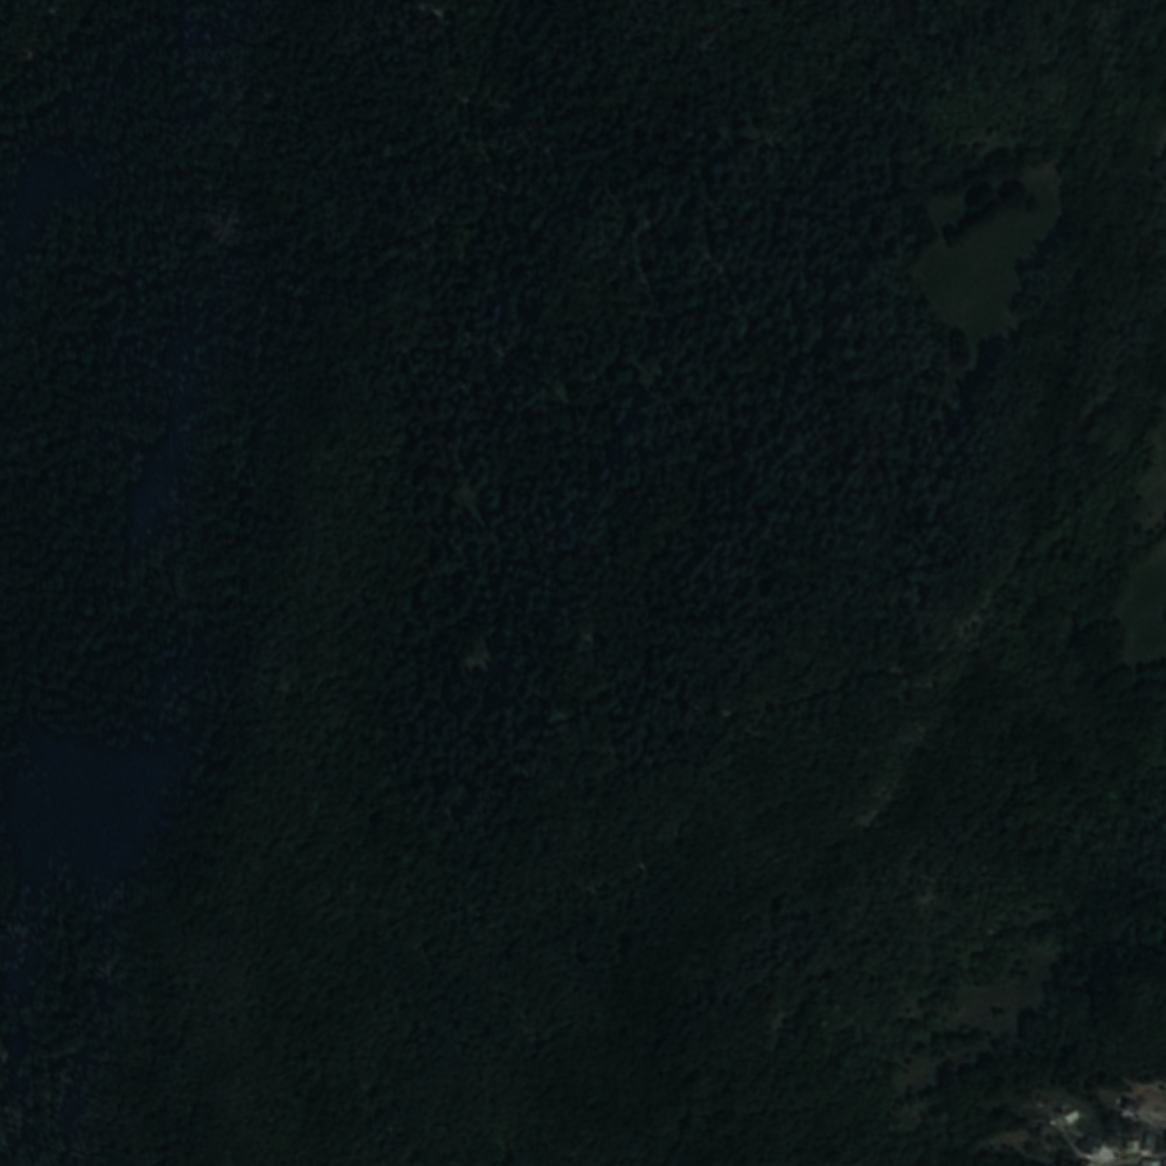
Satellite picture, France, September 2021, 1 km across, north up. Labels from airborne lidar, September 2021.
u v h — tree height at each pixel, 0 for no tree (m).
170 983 20
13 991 11
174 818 18
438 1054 23
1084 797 18
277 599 22
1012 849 10
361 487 18
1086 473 16
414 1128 20
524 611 32
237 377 21
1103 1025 21
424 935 22
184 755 17
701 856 23
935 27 13
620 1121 23
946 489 31
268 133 31
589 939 25
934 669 12
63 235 21
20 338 21
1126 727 19
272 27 19
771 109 17
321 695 19
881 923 7
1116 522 19
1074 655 16
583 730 17
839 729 23
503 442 28
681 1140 18
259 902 17
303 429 21
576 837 16
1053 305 18
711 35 20
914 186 19
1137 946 18
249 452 21
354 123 16
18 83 23
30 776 30
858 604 20
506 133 26
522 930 23
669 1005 20
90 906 15
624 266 20
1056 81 19
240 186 26
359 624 20
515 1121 17
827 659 17
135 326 27
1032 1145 9
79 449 24
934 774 22
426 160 21
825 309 14
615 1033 22
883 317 27
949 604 23
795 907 21
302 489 16
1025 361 19
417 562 30
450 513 23
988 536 23
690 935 22
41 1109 23
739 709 17
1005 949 14
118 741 29
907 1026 12
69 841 28
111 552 25
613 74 20
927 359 27
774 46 20
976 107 13
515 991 19
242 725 17
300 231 24
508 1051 25
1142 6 14
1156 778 12
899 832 17
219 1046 16
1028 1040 16
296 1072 22
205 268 24
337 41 17
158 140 19
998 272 0
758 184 20
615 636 25
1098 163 19
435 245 21
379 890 20
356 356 20
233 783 15
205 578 21
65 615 27
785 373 16
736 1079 20
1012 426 24
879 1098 21
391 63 22
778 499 25
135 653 28
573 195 15
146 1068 20
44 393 25
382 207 16
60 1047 19
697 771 16
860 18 18
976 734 22
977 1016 0
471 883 20
